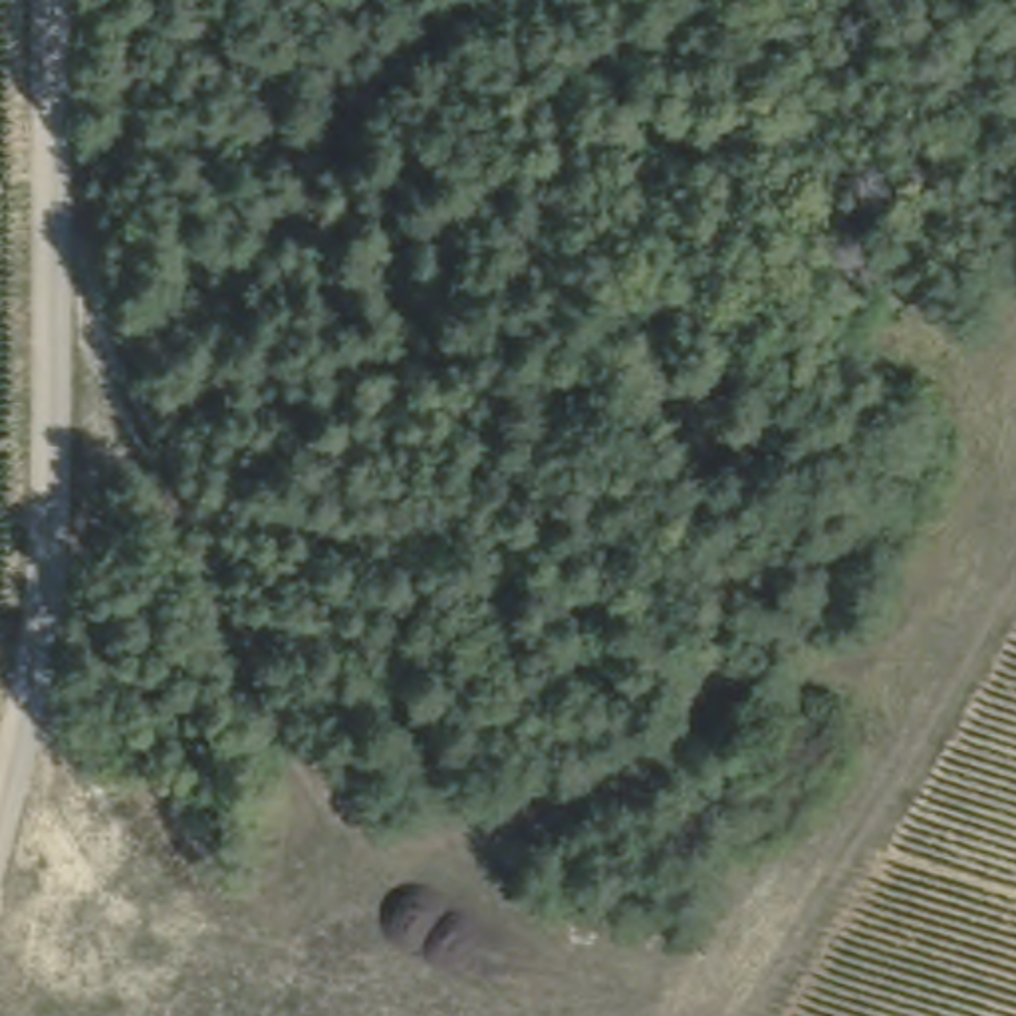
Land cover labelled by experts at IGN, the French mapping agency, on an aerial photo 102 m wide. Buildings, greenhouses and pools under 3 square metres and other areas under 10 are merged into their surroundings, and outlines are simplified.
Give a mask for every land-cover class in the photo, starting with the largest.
<instances>
[{"label":"coniferous trees","instance_id":"1","mask_svg":"<svg viewBox=\"0 0 1016 1016\"><path fill-rule=\"evenodd\" d=\"M64 79L75 83V99L99 103V119H87L79 127V155L87 163L67 175V198L48 214V242L56 246L79 298L91 314L87 341L103 361L111 421L127 452L143 472L131 476L127 488L107 492L111 528L107 536H99L95 552L64 591L60 623H67V639L52 643L48 659L52 675H67V683L56 687V702L64 706L71 746L56 762L71 766L79 782L143 778L171 833V849L187 861H202L222 849V814L234 810L238 774L246 770V754L218 758L214 750L234 734H246L254 718H270L274 742L286 754L310 762L325 778L333 810L349 826L365 833L393 829L413 837L425 829H441L452 818L468 829V845L488 881L500 885L508 901L520 897L536 913V925L572 921L591 933H607L615 945L663 937V953H702L714 937V925L758 885L770 849L782 837H790L822 802H829V786L841 778V770L865 754L861 714L833 687L810 683L802 675L798 655L810 643L829 647L837 659H857L865 647H873L897 611L893 587L901 583V560L921 540V528L941 516V504H956L960 496L953 488L956 405L949 389L921 377L913 365L885 361L873 341H861V325L873 314V306H917L925 321L941 325L949 337L976 333L984 325V314L992 310V290H1016V0H64Z\"/></svg>","mask_w":1016,"mask_h":1016},{"label":"herbaceous vegetation","instance_id":"2","mask_svg":"<svg viewBox=\"0 0 1016 1016\"><path fill-rule=\"evenodd\" d=\"M861 341H873L885 361L913 365L921 377L949 389L956 405L953 488L960 496L956 504H941V516L921 528V540L901 560V583L893 587L897 611L873 647H865L857 659H837L829 647L810 643L798 655L802 675L810 683L833 687L861 714L865 754L841 770V778L829 786V802H822L790 837H782L770 849L758 885L714 925V937L702 953H663V937L615 945L607 933H591L572 921L536 925V913L520 897L508 901L500 885L488 881L468 845V829L452 818L441 829H425L413 837L393 829L365 833L349 826L333 810L325 778L310 762L286 754L274 742L270 718H254L246 734H234L214 750L218 758L246 754V770L238 774L234 810L222 814V849L202 861H187L171 849V833L143 778L79 782L71 766L56 762L48 746L32 758L28 794L20 802L0 877V1016H802L822 972L841 949V937L853 933L865 901H873L881 889V877L869 869V857L889 845L897 818H905V810L917 802V790L933 774V762L960 726L972 691L988 679L996 647L1016 623V290H992V310L984 314V325L976 333L949 337L941 325L925 321L917 306H873V314L861 325ZM91 314L79 298L71 306L67 429L91 433L111 460L127 452L111 421L103 361L87 341Z\"/></svg>","mask_w":1016,"mask_h":1016},{"label":"vineyard","instance_id":"3","mask_svg":"<svg viewBox=\"0 0 1016 1016\"><path fill-rule=\"evenodd\" d=\"M12 0H0V607H16L20 575L36 579V564L12 548L8 536V512L24 496H36L32 187L8 179V123L24 115L32 103L8 71ZM869 869L881 877V889L873 901H865L853 933L841 937V949L822 972L802 1016H1016V623L996 647L988 679L972 691L960 726L933 762V774L917 790V802L905 810V818H897L889 845L869 857Z\"/></svg>","mask_w":1016,"mask_h":1016},{"label":"pervious surface","instance_id":"4","mask_svg":"<svg viewBox=\"0 0 1016 1016\"><path fill-rule=\"evenodd\" d=\"M8 71L32 103L24 115L8 123V179L32 187L36 496H24L8 512V536L12 548L36 564V579L20 575L16 607H0V877L20 802L28 794L32 758L48 746L56 762L71 746L64 706L56 702V687L67 683V675H52L48 659L52 643L67 639V623H60L64 591L95 552L99 536H107L111 528L107 492L127 488L131 476L143 472L127 452L111 460L91 433L67 429L71 306L79 298L56 246L48 242V214L67 198V175L87 163L79 155V127L87 119H99V103L75 99V83L64 79V0H12Z\"/></svg>","mask_w":1016,"mask_h":1016}]
</instances>
